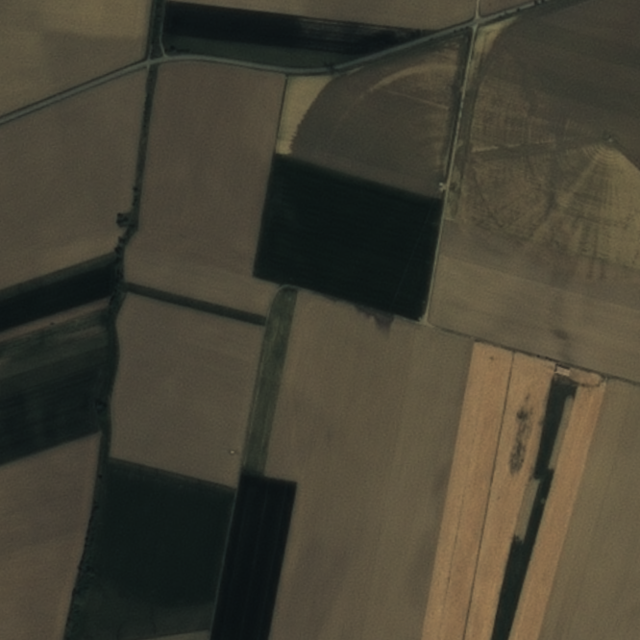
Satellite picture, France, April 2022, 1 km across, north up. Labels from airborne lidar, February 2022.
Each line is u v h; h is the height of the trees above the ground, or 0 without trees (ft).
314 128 0
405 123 0
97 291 0
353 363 0
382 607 0
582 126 0
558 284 0
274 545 0
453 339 0
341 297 0
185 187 0
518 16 0
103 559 0
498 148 0
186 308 0
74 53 0
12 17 0
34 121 0
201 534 0
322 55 0
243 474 0
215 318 0
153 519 0
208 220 0
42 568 0
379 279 0
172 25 0
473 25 0
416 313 0
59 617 0
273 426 0
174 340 0
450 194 0
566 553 0
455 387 0
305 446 0
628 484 0
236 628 0
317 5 0
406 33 0
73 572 0
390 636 0
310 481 0
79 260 0
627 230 0
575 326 0
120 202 0
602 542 0
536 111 0
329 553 0
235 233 0
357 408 0
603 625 0
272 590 0
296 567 0
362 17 0
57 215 0
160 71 0
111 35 0
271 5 0
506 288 0
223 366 0
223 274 0
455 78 0
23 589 0
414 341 0
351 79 0
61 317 0
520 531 0
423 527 0
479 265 0
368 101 0
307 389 0
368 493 0
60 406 0
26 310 0
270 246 0
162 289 0
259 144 0
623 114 0
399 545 0
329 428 0
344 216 0
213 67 0
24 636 0
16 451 0
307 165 0
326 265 0
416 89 0
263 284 0
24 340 0
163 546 0
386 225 0
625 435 0
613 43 0
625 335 0
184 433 0
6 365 0
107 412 47
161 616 0
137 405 0
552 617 0
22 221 0
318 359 0
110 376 0
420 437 0
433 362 0
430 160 0
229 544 0
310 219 0
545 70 0
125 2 0
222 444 0
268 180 0
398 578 0
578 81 0
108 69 0
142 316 0
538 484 0
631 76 0
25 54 0
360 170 0
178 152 0
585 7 0
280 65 0
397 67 0
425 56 0
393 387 0
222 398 0
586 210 0
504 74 0
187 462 0
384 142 0
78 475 0
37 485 0
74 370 0
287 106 0
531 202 0
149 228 0
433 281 0
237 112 0
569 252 0
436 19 0
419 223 0
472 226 0
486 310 0
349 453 0
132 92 0
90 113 0
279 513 0
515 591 0
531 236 0
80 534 0
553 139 0
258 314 0
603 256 0
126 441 0
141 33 0
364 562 0
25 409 0
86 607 0
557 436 0
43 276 0
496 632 0
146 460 0
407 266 0
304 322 0
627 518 0
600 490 0
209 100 0
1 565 0
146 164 0
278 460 0
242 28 0
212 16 0
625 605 0
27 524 0
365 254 0
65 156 0
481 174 0
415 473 0
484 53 0
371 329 0
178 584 0
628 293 0
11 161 0
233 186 0
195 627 0
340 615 0
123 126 0
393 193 0
